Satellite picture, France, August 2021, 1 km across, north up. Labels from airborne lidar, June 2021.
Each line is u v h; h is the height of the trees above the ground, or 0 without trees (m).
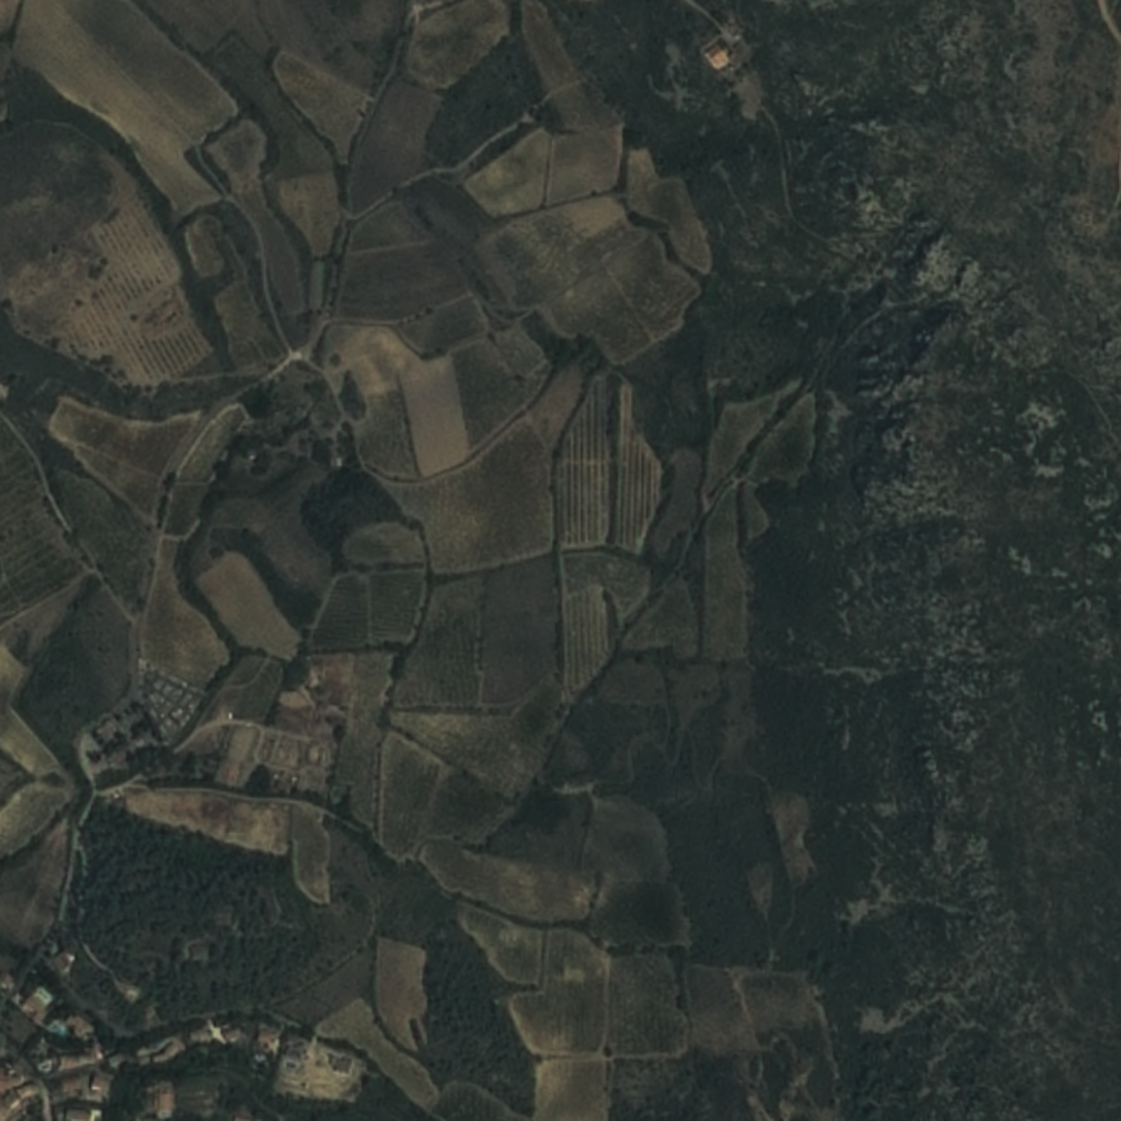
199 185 0
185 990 13
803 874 0
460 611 0
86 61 0
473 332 0
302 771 0
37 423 0
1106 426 0
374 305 0
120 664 0
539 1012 0
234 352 0
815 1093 0
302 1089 0
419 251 0
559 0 0
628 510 0
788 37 0
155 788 7
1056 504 0
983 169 0
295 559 0
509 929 0
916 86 0
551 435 0
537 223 0
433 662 0
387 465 0
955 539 0
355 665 0
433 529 0
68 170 0
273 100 0
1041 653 0
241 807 0
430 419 0
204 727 0
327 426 6
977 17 0
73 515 0
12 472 0
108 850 8
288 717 0
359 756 0
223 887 10
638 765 0
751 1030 0
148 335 0
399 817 0
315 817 0
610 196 0
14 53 0
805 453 0
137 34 0
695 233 0
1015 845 0
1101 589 0
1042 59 0
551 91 0
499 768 0
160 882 13
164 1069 6
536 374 0
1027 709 0
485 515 0
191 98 0
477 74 0
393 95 0
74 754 7
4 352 0
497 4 0
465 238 0
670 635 0
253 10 0
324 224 0
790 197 0
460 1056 7
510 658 0
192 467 0
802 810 0
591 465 0
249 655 7
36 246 0
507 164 0
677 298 0
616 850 0
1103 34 0
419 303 0
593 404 0
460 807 0
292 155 0
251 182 0
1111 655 0
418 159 0
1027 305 0
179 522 0
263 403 7
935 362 0
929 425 0
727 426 0
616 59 0
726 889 0
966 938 0
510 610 0
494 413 0
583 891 0
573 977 0
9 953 7
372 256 0
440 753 0
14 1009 8
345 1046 10
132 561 0
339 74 0
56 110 0
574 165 0
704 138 6
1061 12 0
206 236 0
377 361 0
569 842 0
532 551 0
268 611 0
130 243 0
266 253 0
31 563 0
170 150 0
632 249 0
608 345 0
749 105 0
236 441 7
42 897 0
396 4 0
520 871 0
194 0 0
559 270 0
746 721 0
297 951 7
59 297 0
